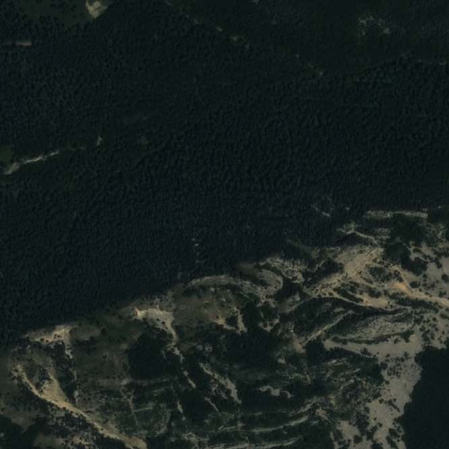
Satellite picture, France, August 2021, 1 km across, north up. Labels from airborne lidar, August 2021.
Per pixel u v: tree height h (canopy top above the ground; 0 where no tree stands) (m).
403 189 8
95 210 19
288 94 19
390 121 10
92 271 11
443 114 14
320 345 18
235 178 17
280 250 10
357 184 7
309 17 13
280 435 9
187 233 7
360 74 12
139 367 12
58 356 10
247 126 20
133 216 19
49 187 19
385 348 0
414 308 7
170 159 23
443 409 14
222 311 0
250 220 8
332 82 15
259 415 6
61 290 12
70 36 15
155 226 10
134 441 0
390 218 8
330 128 16
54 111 20
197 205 18
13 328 6
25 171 22
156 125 17
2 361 0
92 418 0
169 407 9
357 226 11
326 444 8
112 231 11
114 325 0
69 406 0
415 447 12
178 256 12
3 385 0
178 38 10
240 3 21
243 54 18
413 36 14
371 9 13
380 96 20
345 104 17
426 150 14
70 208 17
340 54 16
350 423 6
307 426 11
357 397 8
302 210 14
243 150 10
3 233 22
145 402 8
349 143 17
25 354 9
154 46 15
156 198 21
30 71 6
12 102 13
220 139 19
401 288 0
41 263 13
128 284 11
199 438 11
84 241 20
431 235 10
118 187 18
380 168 18
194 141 16
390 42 21
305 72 13
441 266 9
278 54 17
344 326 10
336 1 16
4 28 19
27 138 16
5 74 16
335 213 10
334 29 20
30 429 10
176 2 13
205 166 13
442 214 12
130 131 20
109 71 17
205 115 21
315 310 11
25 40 8
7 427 10
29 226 17
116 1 13
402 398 0
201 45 14
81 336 0
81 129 18
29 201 22
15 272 16
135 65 19
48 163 15
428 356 17
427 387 14
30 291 16
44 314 10
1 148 13
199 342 8
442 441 15
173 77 14
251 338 13
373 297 6
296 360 15
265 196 13
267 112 24
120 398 9
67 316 9
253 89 24
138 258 14
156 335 6
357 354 12
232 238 7
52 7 11
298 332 6
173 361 12
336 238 10
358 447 0
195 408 15
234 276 7
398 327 7
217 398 11
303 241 10
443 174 17
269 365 12
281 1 11
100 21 11
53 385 0
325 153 18
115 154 13
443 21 13
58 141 19
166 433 7
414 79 18
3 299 15
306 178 19
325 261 7
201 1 14
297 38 17
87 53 23
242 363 11
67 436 7
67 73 15
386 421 0
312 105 17
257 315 14
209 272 6
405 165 20
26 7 0
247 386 11
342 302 22
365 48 15
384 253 7
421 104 16
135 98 20
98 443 8
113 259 14
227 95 27
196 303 0
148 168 14
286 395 13
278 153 16
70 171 19
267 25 18
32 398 14
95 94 17
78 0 0
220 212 7
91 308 7
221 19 14
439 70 17
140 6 15
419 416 14
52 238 18
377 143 23
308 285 12
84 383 7
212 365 7
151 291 9
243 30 20
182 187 22
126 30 16
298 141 19
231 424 6
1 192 28
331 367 10
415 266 11
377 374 8
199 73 11
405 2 14
